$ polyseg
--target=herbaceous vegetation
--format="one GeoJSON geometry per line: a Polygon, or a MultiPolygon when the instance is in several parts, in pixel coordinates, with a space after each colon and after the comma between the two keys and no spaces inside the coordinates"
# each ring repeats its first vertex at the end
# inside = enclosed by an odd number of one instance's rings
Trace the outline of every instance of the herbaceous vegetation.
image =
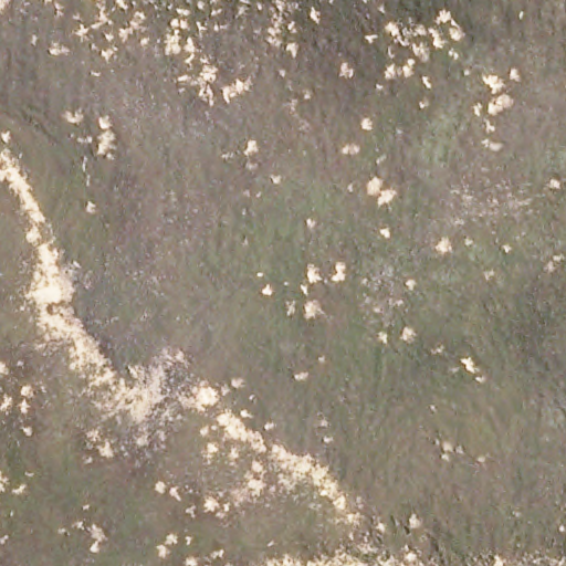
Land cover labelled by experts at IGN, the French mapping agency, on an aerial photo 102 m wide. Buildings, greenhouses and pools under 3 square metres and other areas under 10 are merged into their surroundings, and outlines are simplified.
{"type": "Polygon", "coordinates": [[[239,458],[226,458],[214,453],[208,462],[203,455],[208,444],[201,438],[201,427],[206,427],[206,422],[199,409],[181,405],[177,411],[172,411],[172,420],[166,420],[166,425],[153,425],[148,429],[146,444],[137,444],[137,420],[130,418],[130,411],[117,411],[115,416],[111,416],[106,409],[95,409],[84,389],[88,380],[80,378],[80,374],[66,367],[64,363],[60,367],[55,363],[49,363],[35,349],[35,343],[40,343],[42,338],[40,325],[29,323],[27,314],[20,312],[20,305],[31,292],[35,265],[42,259],[33,243],[27,239],[27,232],[31,230],[31,217],[24,210],[20,195],[11,188],[9,179],[0,179],[0,566],[181,566],[188,557],[197,559],[199,555],[208,555],[212,551],[223,551],[223,557],[219,557],[223,566],[256,566],[268,559],[283,559],[285,555],[307,564],[327,562],[338,553],[347,553],[363,564],[374,564],[376,559],[389,557],[402,562],[407,553],[413,553],[416,559],[436,559],[438,566],[495,566],[495,557],[517,562],[533,548],[542,546],[548,548],[555,557],[566,555],[566,0],[104,0],[108,15],[106,22],[97,31],[88,31],[86,35],[77,38],[80,27],[93,24],[99,15],[93,0],[0,0],[0,153],[9,153],[15,159],[20,175],[29,184],[31,197],[40,206],[40,212],[53,223],[57,248],[55,265],[64,268],[66,263],[80,263],[80,270],[73,276],[73,316],[80,318],[86,336],[91,336],[97,343],[99,354],[106,360],[111,360],[111,369],[126,380],[126,387],[135,387],[130,367],[150,367],[153,358],[159,356],[161,349],[177,349],[184,354],[186,360],[192,356],[195,360],[203,363],[195,371],[195,376],[210,389],[223,387],[232,378],[243,380],[241,387],[226,396],[230,402],[230,413],[237,416],[239,411],[250,411],[250,418],[243,427],[261,433],[265,444],[263,451],[254,451],[252,447],[248,447],[239,453],[239,458]],[[133,15],[139,11],[146,15],[144,24],[122,40],[119,29],[128,27],[133,15]],[[471,53],[460,53],[458,60],[451,60],[447,51],[433,44],[431,35],[411,35],[409,40],[413,44],[422,44],[429,57],[416,62],[411,75],[387,77],[385,69],[405,66],[411,53],[411,49],[394,40],[394,35],[387,31],[387,24],[394,22],[402,29],[431,27],[440,11],[449,11],[455,18],[462,35],[469,42],[473,42],[471,53]],[[268,42],[272,15],[283,20],[279,46],[272,46],[268,42]],[[177,60],[172,53],[166,53],[166,38],[172,33],[172,20],[188,22],[188,27],[179,31],[179,44],[192,40],[192,64],[186,64],[177,60]],[[179,75],[203,73],[201,57],[210,57],[210,64],[217,71],[212,80],[212,106],[199,97],[199,86],[188,86],[186,93],[179,93],[179,75]],[[495,75],[502,82],[504,93],[511,97],[511,104],[500,113],[489,113],[491,86],[484,84],[484,77],[489,75],[495,75]],[[97,148],[102,137],[102,117],[106,117],[111,124],[113,142],[111,148],[99,155],[97,148]],[[367,184],[371,179],[380,179],[380,186],[385,190],[394,190],[396,197],[387,203],[378,203],[378,199],[367,190],[367,184]],[[318,276],[334,276],[336,263],[345,265],[343,281],[321,283],[307,279],[307,268],[316,268],[318,276]],[[360,285],[360,279],[371,279],[387,265],[394,268],[394,276],[380,281],[378,290],[360,285]],[[276,444],[285,447],[285,451],[294,455],[310,455],[314,460],[321,460],[321,464],[327,469],[327,473],[338,484],[345,497],[363,497],[360,522],[334,524],[336,506],[327,495],[321,495],[314,482],[301,480],[294,489],[285,489],[279,482],[281,460],[272,458],[272,447],[276,444]],[[241,489],[245,484],[245,473],[252,469],[252,462],[261,462],[265,471],[263,489],[248,502],[237,504],[232,489],[241,489]],[[206,500],[214,491],[223,491],[219,504],[230,506],[226,517],[217,517],[212,511],[206,509],[206,500]]]}

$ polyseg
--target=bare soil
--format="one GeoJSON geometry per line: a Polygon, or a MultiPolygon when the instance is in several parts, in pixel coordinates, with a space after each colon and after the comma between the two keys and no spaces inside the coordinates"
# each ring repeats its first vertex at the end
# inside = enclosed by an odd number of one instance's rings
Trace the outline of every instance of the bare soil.
{"type": "Polygon", "coordinates": [[[378,290],[380,281],[394,276],[394,268],[387,265],[371,279],[360,279],[360,285],[378,290]]]}
{"type": "Polygon", "coordinates": [[[394,190],[385,190],[380,186],[380,179],[371,179],[367,184],[367,190],[378,199],[378,203],[387,203],[396,197],[394,190]]]}
{"type": "Polygon", "coordinates": [[[214,491],[206,500],[206,509],[212,511],[217,517],[226,517],[230,506],[219,504],[223,491],[214,491]]]}
{"type": "Polygon", "coordinates": [[[363,497],[345,497],[338,484],[327,473],[327,469],[321,464],[321,460],[314,460],[310,455],[294,455],[285,451],[285,447],[276,444],[272,447],[272,458],[281,460],[279,482],[285,489],[294,489],[301,480],[314,482],[321,495],[327,495],[336,506],[334,524],[360,522],[363,497]]]}
{"type": "Polygon", "coordinates": [[[80,27],[77,38],[86,35],[88,31],[97,31],[106,22],[108,15],[104,0],[93,0],[99,15],[93,24],[80,27]]]}
{"type": "Polygon", "coordinates": [[[345,265],[336,263],[334,276],[318,276],[316,268],[307,268],[307,279],[321,283],[343,281],[345,265]]]}
{"type": "Polygon", "coordinates": [[[431,35],[433,44],[447,51],[451,60],[458,60],[460,53],[471,53],[473,42],[469,42],[462,35],[455,18],[449,11],[440,11],[431,27],[402,29],[394,22],[387,24],[387,31],[394,35],[394,40],[411,49],[411,53],[405,66],[385,69],[387,77],[411,75],[416,62],[429,57],[422,44],[413,44],[409,40],[411,35],[431,35]]]}
{"type": "Polygon", "coordinates": [[[188,22],[172,20],[172,33],[166,38],[166,53],[172,53],[177,60],[186,64],[192,64],[192,40],[179,44],[179,31],[188,27],[188,22]]]}
{"type": "Polygon", "coordinates": [[[111,124],[106,117],[102,117],[102,137],[97,148],[99,155],[111,148],[113,142],[111,124]]]}
{"type": "Polygon", "coordinates": [[[199,86],[199,97],[212,106],[212,80],[217,71],[210,64],[210,57],[201,57],[203,73],[179,75],[179,93],[186,93],[188,86],[199,86]]]}
{"type": "Polygon", "coordinates": [[[495,566],[566,566],[566,555],[555,557],[548,548],[542,546],[533,548],[517,562],[495,557],[495,566]]]}
{"type": "Polygon", "coordinates": [[[283,20],[272,15],[268,42],[272,46],[279,46],[283,20]]]}
{"type": "Polygon", "coordinates": [[[237,504],[248,502],[263,489],[265,471],[261,462],[252,462],[252,469],[245,473],[245,484],[241,489],[232,489],[237,504]]]}
{"type": "Polygon", "coordinates": [[[484,77],[484,84],[491,86],[489,113],[500,113],[511,104],[511,97],[504,93],[502,82],[495,75],[489,75],[484,77]]]}
{"type": "Polygon", "coordinates": [[[119,29],[122,40],[144,24],[146,15],[139,11],[133,15],[128,27],[119,29]]]}
{"type": "Polygon", "coordinates": [[[223,557],[223,551],[212,551],[208,555],[199,555],[197,559],[188,557],[181,566],[223,566],[219,557],[223,557]]]}
{"type": "Polygon", "coordinates": [[[285,555],[283,559],[268,559],[256,566],[438,566],[436,559],[416,559],[413,553],[407,553],[402,562],[389,557],[376,559],[374,564],[363,564],[347,553],[338,553],[327,562],[307,564],[285,555]]]}
{"type": "Polygon", "coordinates": [[[20,195],[24,210],[31,217],[31,230],[27,232],[27,239],[33,243],[42,259],[35,265],[31,292],[20,305],[20,312],[27,314],[29,323],[40,325],[42,338],[40,343],[35,343],[35,349],[49,363],[55,363],[60,367],[64,363],[66,367],[80,374],[80,378],[88,380],[84,389],[95,409],[106,409],[111,416],[115,416],[117,411],[130,411],[130,418],[137,420],[137,444],[146,444],[148,429],[153,425],[166,425],[166,420],[172,420],[172,411],[177,411],[181,405],[199,409],[206,422],[206,427],[201,427],[201,438],[208,444],[203,455],[208,462],[214,453],[226,458],[239,458],[239,453],[248,447],[252,447],[254,451],[263,451],[265,444],[261,433],[243,427],[250,418],[250,411],[239,411],[237,416],[230,413],[230,402],[226,396],[241,387],[243,380],[232,378],[223,387],[210,389],[195,376],[195,371],[203,363],[195,360],[192,356],[186,360],[184,354],[177,349],[161,349],[159,356],[153,358],[150,367],[130,367],[135,387],[126,387],[126,380],[111,369],[111,360],[106,360],[99,354],[97,343],[91,336],[86,336],[80,318],[73,316],[73,276],[80,270],[80,263],[66,263],[64,268],[55,265],[57,248],[53,223],[40,212],[40,206],[31,197],[29,184],[20,175],[15,159],[9,153],[0,153],[0,179],[9,179],[11,188],[20,195]]]}

